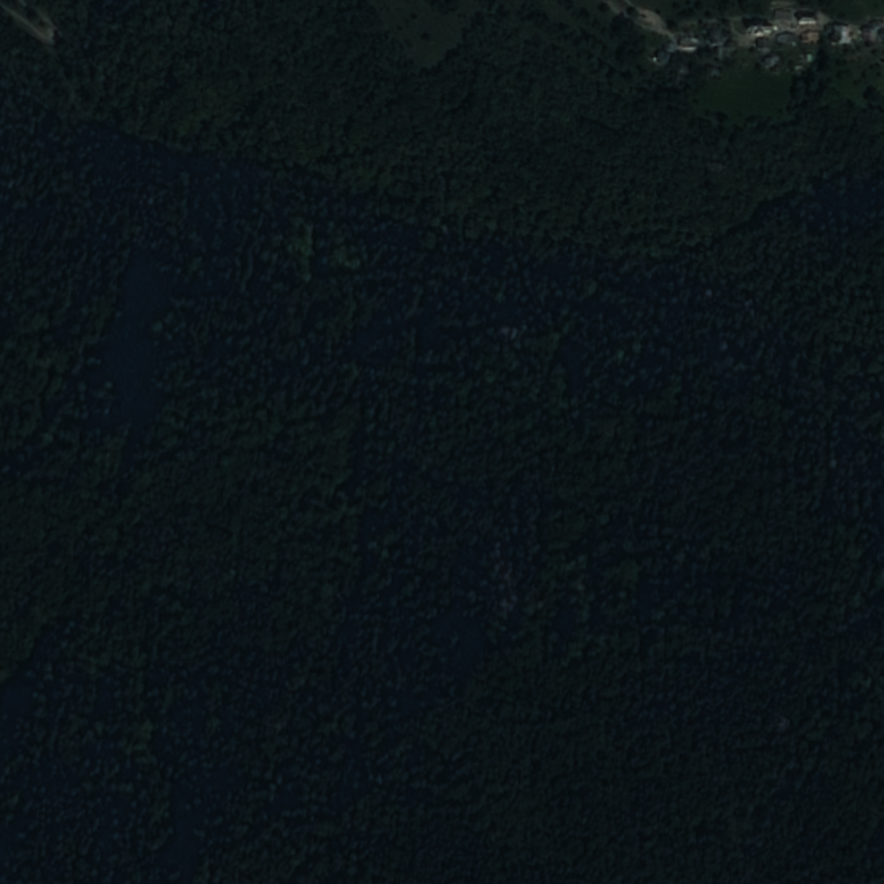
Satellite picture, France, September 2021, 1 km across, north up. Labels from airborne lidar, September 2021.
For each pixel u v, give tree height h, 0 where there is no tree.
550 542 37
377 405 37
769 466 30
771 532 33
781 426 25
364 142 22
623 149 30
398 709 20
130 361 40
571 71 19
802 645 32
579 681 31
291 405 41
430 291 36
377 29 22
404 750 34
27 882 33
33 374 28
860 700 31
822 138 26
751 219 22
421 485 36
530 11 7
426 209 32
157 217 27
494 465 33
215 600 32
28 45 22
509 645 37
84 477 26
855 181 35
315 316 27
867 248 32
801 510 32
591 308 25
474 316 25
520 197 26
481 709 28
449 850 31
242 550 30
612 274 22
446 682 35
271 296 24
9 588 30
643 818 33
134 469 31
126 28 31
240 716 28
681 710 32
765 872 30
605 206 23
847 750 25
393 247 31
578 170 21
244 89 26
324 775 33
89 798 30
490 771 30
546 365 33
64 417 36
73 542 31
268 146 28
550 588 30
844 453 29
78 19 22
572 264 29
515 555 37
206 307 36
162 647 32
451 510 37
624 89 11
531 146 23
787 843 28
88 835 39
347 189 8
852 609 20
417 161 24
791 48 0
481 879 35
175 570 30
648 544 34
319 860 29
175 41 17
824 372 8
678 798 29
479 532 36
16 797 37
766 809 25
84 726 32
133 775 21
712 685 32
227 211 32
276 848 31
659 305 34
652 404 35
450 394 32
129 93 22
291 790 33
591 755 28
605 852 30
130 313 32
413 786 34
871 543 30
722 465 31
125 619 32
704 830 23
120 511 39
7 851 26
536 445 31
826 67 20
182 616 31
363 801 28
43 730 33
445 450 32
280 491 30
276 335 35
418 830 31
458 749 30
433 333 32
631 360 32
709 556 29
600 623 36
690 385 32
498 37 16
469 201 21
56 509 36
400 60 21
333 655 35
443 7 9
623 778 25
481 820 28
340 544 33
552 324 25
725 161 17
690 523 31
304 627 35
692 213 28
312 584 30
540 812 31
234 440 29
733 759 30
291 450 33
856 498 22
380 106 26
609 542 29
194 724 25
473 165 26
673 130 21
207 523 28
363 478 32
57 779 41
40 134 9
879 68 10
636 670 31
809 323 26
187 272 37
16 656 33
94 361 37
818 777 22
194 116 24
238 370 38
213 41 23
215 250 35
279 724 30
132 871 30
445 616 28
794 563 33
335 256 34
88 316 30
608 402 35
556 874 33
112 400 38
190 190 23
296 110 14
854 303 27
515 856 33
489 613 40
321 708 31
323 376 40
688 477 31
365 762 29
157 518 30
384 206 28
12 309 30
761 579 35
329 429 28
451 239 36
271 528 34
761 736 32
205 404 34
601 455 28
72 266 32
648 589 37
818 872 33
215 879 32
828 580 24
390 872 29
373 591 39
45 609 32
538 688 28
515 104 30
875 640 31
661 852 30
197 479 35
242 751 34
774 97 0
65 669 41
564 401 33
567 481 29
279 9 23
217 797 31
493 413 33
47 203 16
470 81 19
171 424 32
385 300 27
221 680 29
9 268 31
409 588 33
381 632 31
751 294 10
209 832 33
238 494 33
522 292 29
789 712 36
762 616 34
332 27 27
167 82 26
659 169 29
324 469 28
